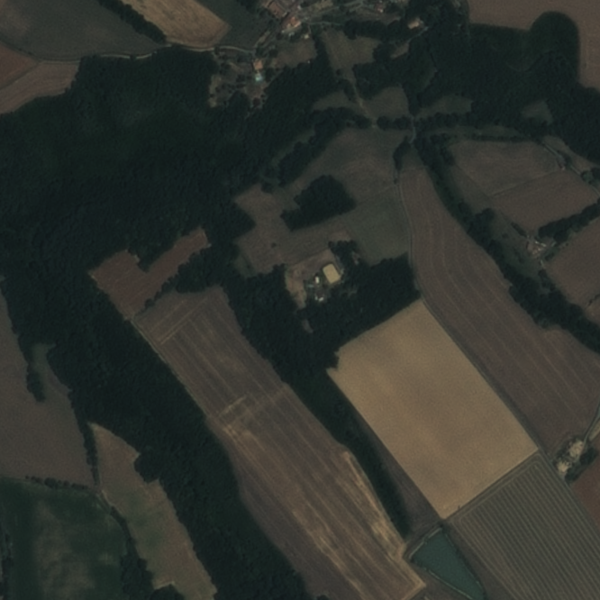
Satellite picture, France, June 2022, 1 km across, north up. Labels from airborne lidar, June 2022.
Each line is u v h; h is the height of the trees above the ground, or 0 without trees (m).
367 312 17
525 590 0
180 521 10
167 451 19
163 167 7
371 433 0
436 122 19
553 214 0
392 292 17
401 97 0
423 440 0
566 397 0
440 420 0
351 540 0
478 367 0
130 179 13
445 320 0
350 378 0
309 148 19
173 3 0
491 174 0
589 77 0
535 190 0
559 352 0
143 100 6
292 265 0
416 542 0
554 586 0
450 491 0
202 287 7
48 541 0
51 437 0
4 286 18
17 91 0
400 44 6
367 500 0
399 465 0
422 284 0
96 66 17
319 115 24
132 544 11
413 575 0
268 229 0
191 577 0
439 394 0
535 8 0
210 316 0
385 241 0
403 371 0
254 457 0
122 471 0
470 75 14
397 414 0
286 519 0
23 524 0
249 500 0
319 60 16
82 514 0
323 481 0
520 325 0
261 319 28
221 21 0
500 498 0
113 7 14
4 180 17
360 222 0
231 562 10
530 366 0
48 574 0
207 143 7
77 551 0
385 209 0
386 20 0
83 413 6
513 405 0
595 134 16
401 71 17
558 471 0
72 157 7
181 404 13
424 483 0
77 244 19
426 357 0
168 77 18
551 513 0
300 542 0
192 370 0
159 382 10
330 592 0
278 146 25
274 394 0
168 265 0
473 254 0
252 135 9
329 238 0
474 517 0
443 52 14
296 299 0
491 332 0
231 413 0
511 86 15
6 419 0
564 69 20
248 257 0
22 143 11
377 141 0
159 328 0
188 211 19
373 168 0
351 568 0
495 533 0
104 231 19
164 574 0
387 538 0
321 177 0
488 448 0
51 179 10
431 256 0
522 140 8
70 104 9
